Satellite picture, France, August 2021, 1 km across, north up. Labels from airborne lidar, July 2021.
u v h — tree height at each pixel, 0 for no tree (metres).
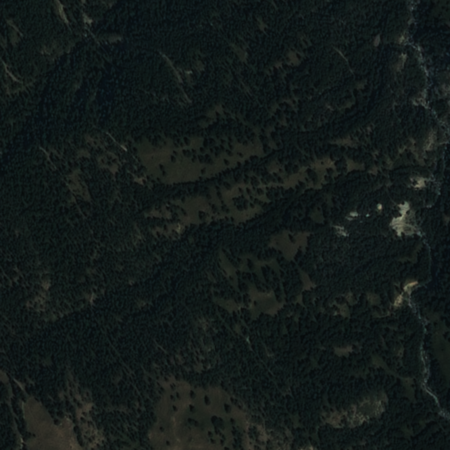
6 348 21
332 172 19
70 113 21
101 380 21
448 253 19
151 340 18
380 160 25
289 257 0
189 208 0
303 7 17
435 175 13
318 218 0
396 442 17
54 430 0
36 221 23
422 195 14
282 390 23
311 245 20
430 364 7
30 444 0
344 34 14
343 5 23
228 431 0
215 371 14
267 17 20
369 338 7
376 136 18
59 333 20
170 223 23
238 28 24
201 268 18
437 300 14
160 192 15
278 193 12
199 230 12
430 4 9
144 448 19
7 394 30
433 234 9
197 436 0
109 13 20
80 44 7
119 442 12
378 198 20
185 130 15
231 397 0
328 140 11
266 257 16
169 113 24
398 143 28
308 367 13
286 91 14
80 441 15
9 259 19
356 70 18
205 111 20
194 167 0
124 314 21
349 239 11
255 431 15
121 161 12
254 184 16
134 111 12
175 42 22
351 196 18
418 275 12
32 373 12
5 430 18
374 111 24
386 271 17
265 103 18
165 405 0
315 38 23
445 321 9
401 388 27
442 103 11
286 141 21
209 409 0
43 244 22
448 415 0
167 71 19
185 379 12
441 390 20
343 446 18
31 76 23
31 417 0
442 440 14
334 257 18
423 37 26
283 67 0
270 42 26
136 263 10
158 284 22
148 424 23
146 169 16
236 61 26
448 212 18
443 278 19
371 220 20
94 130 17
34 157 17
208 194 12
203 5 18
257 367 12
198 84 15
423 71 9
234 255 23
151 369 18
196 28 20
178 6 23
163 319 21
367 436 15
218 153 23
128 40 27
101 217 26
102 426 16
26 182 21
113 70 31
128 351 21
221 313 17
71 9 12
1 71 14
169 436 0
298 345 21
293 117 18
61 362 15
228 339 25
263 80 27
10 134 24
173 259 19
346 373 16
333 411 14
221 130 20
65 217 22
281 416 19
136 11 13
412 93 16
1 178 23
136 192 11
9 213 10
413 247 12
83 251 19
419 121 21
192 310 21
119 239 20
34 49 18
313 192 13
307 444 14
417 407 12
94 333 24
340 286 15
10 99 21
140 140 16
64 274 12
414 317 15
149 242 23
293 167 21
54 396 18
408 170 26
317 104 17
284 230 9
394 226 0
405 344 14
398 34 15
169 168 0
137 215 14
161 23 18
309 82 20
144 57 19
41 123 24
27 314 18
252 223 15
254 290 0
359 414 0
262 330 27
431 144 0
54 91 14
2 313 19
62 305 19
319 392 22
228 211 12
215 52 25
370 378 12
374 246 17
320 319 28
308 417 21
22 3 19
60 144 18
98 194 17
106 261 23
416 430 11
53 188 24
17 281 0
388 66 19
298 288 20
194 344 17
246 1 6
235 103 18
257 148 0
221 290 19
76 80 9
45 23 14
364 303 26
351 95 20
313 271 21
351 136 11
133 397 23
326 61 24
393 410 23
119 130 20
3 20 14
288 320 14
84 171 24
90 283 23
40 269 10
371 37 18
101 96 17
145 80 18
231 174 25
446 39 24
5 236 14
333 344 20
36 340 21
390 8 19
